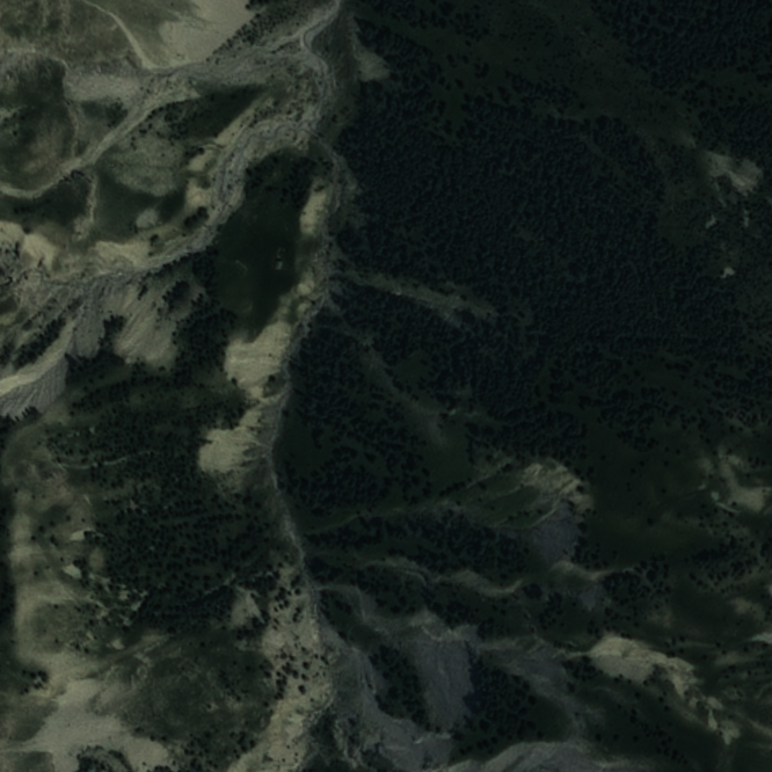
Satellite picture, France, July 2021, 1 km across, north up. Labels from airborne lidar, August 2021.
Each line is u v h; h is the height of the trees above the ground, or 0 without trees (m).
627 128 16
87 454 7
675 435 0
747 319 10
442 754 0
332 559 0
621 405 16
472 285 9
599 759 0
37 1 0
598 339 19
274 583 14
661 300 13
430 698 0
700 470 0
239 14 0
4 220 0
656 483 0
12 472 0
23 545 0
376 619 0
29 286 0
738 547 13
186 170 0
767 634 0
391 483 17
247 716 0
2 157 0
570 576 0
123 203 0
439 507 0
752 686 0
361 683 0
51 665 0
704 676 0
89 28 0
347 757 0
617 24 13
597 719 0
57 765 0
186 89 0
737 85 0
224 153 0
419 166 22
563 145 16
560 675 0
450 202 19
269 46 0
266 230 0
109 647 0
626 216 18
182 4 0
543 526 0
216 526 14
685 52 13
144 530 8
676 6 16
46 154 0
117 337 0
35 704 0
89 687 0
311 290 0
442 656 0
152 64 0
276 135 0
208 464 0
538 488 0
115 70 0
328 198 0
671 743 10
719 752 0
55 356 0
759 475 0
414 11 21
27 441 0
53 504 0
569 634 0
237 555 15
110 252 0
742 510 0
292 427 0
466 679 0
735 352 9
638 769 0
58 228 0
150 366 0
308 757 0
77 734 0
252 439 0
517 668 0
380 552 0
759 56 14
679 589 0
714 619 0
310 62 0
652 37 20
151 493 9
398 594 8
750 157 10
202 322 13
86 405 8
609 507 0
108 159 0
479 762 0
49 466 0
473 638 0
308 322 0
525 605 0
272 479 0
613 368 12
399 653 12
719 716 0
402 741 0
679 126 0
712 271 0
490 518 0
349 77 0
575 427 16
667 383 0
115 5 0
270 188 12
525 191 13
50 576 0
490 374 11
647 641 0
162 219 0
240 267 0
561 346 19
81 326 0
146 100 0
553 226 15
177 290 11
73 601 0
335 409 15
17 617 0
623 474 0
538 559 0
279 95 0
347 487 18
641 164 17
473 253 16
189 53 0
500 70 0
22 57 0
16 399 0
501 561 11
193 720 0
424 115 13
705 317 13
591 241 12
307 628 0
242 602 0
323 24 0
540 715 0
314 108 0
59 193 0
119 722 0
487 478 0
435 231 11
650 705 0
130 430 8
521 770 0
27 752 0
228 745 0
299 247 0
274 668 0
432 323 11
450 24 12
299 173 17
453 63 14
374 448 8
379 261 11
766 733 0
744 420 6
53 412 0
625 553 0
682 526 0
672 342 12
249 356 0
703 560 15
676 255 19
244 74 0
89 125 0
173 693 0
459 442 0
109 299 0
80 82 0
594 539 0
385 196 17
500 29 0
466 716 0
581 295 14
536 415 14
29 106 0
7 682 0
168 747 0
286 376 0
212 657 0
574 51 7
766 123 16
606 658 0
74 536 0
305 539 0
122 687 0
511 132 22
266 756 0
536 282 11
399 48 20
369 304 14
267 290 0
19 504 0
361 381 12
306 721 0
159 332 0
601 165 15
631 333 12
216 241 0
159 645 0
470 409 0
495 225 16
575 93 9
